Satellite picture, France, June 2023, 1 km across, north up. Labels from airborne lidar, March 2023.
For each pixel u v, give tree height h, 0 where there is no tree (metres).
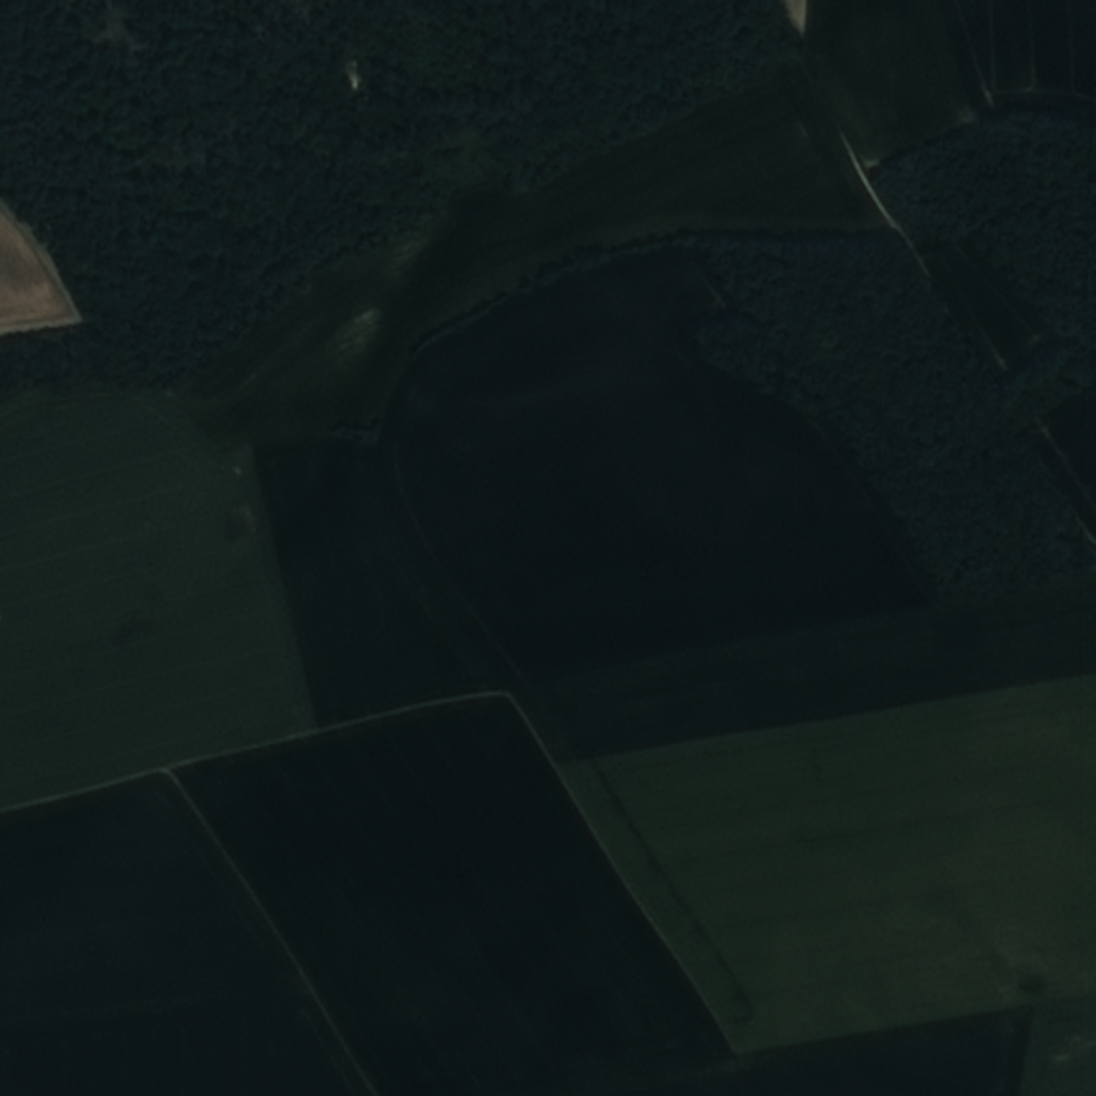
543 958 0
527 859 0
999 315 0
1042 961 0
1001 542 23
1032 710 0
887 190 14
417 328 0
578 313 0
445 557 0
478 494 0
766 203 0
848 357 27
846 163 0
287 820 0
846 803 0
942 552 21
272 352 0
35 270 0
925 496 21
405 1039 0
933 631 0
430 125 21
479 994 0
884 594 0
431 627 0
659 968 0
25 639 0
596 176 0
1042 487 22
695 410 0
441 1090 0
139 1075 0
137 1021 0
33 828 0
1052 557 17
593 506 0
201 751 0
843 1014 0
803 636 0
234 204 28
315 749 0
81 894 0
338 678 0
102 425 0
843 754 0
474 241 0
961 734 0
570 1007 0
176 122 10
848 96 0
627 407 0
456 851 0
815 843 0
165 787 0
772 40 23
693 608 0
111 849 0
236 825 0
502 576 0
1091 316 15
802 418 0
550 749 0
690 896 0
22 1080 0
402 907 0
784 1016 0
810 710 0
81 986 0
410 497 0
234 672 0
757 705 0
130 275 20
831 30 0
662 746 0
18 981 0
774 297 21
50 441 0
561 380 0
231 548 0
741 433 0
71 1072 0
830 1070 0
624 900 0
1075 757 0
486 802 0
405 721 0
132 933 0
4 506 0
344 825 0
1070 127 18
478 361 0
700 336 17
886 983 0
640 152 0
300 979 0
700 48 24
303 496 0
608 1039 0
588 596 0
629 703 0
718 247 14
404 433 0
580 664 0
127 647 0
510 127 19
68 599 0
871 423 21
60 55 16
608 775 0
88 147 19
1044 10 0
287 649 0
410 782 0
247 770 0
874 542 0
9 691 0
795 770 0
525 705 0
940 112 0
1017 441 23
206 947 0
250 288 28
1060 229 21
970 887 0
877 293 24
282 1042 0
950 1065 0
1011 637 0
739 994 0
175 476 0
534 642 0
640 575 0
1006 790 0
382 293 0
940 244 0
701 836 0
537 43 24
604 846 0
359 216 22
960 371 20
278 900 0
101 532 0
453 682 0
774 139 0
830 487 0
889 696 0
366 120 11
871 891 0
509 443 0
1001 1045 0
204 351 15
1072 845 0
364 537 0
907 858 0
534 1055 0
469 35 11
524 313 0
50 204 12
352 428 7
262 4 14
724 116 0
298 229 22
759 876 0
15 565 0
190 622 0
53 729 0
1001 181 21
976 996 0
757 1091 0
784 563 0
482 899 0
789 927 0
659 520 0
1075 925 0
